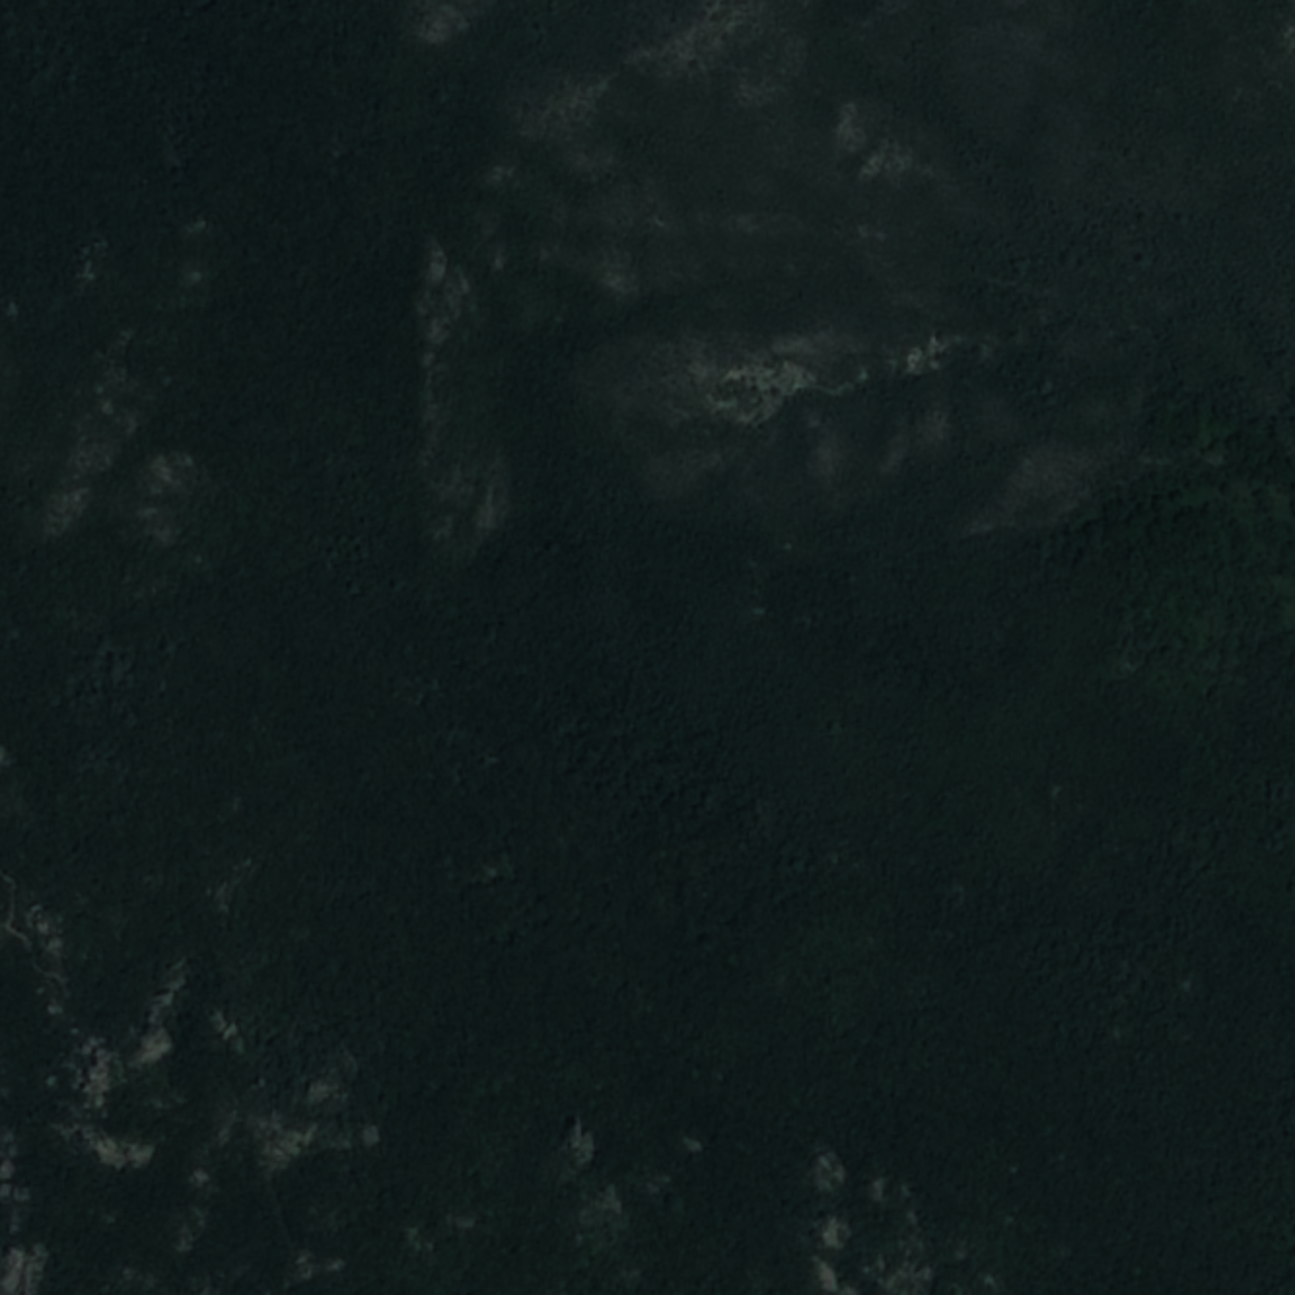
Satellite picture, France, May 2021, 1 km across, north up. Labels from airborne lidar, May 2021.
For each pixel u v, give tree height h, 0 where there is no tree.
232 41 15
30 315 8
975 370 8
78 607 9
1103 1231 12
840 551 7
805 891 10
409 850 13
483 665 15
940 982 6
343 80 14
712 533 9
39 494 6
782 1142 14
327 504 11
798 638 10
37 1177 8
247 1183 6
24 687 16
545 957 14
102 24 13
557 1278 9
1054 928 15
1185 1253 14
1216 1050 8
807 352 0
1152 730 7
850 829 9
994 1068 13
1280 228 7
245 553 9
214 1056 13
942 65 6
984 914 11
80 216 11
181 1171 5
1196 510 14
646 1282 12
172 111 13
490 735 15
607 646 13
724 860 9
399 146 12
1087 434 6
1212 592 8
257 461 10
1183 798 7
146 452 6
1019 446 7
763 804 13
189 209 8
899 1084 10
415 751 13
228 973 10
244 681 16
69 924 11
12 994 6
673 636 12
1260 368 7
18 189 14
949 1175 12
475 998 16
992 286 7
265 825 14
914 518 8
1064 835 8
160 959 16
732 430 6
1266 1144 15
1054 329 11
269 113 14
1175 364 9
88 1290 11
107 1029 9
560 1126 14
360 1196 13
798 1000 5
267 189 13
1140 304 7
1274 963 9
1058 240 8
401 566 8
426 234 7
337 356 7
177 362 9
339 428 8
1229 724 8
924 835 7
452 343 7
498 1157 10
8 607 12
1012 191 8
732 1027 6
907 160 0
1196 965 6
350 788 15
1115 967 16
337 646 15
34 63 14
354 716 13
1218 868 7
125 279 9
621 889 13
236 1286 7
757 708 10
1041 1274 10
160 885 8
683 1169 13
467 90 9
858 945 6
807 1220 8
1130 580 8
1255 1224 8
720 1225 13
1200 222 6
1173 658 8
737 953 15
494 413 6
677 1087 18
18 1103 7
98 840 12
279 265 16
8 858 7
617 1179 15
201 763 12
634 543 9
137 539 5
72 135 11
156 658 12
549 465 11
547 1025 14
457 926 16
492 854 13
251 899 11
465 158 8
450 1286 6
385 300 12
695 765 9
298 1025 9
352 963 12
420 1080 15
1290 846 11
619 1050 15
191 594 11
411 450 8
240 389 13
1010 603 11
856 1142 17
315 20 8
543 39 9
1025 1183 14
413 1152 14
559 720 13
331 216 15
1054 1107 12
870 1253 10
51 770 17
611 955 13
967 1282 9
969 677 7
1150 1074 7
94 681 18
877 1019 7
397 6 6
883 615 6
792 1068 11
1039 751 7
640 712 9
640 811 17
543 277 9
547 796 17
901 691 8
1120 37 7
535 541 10
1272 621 9
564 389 9
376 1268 12
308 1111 10
